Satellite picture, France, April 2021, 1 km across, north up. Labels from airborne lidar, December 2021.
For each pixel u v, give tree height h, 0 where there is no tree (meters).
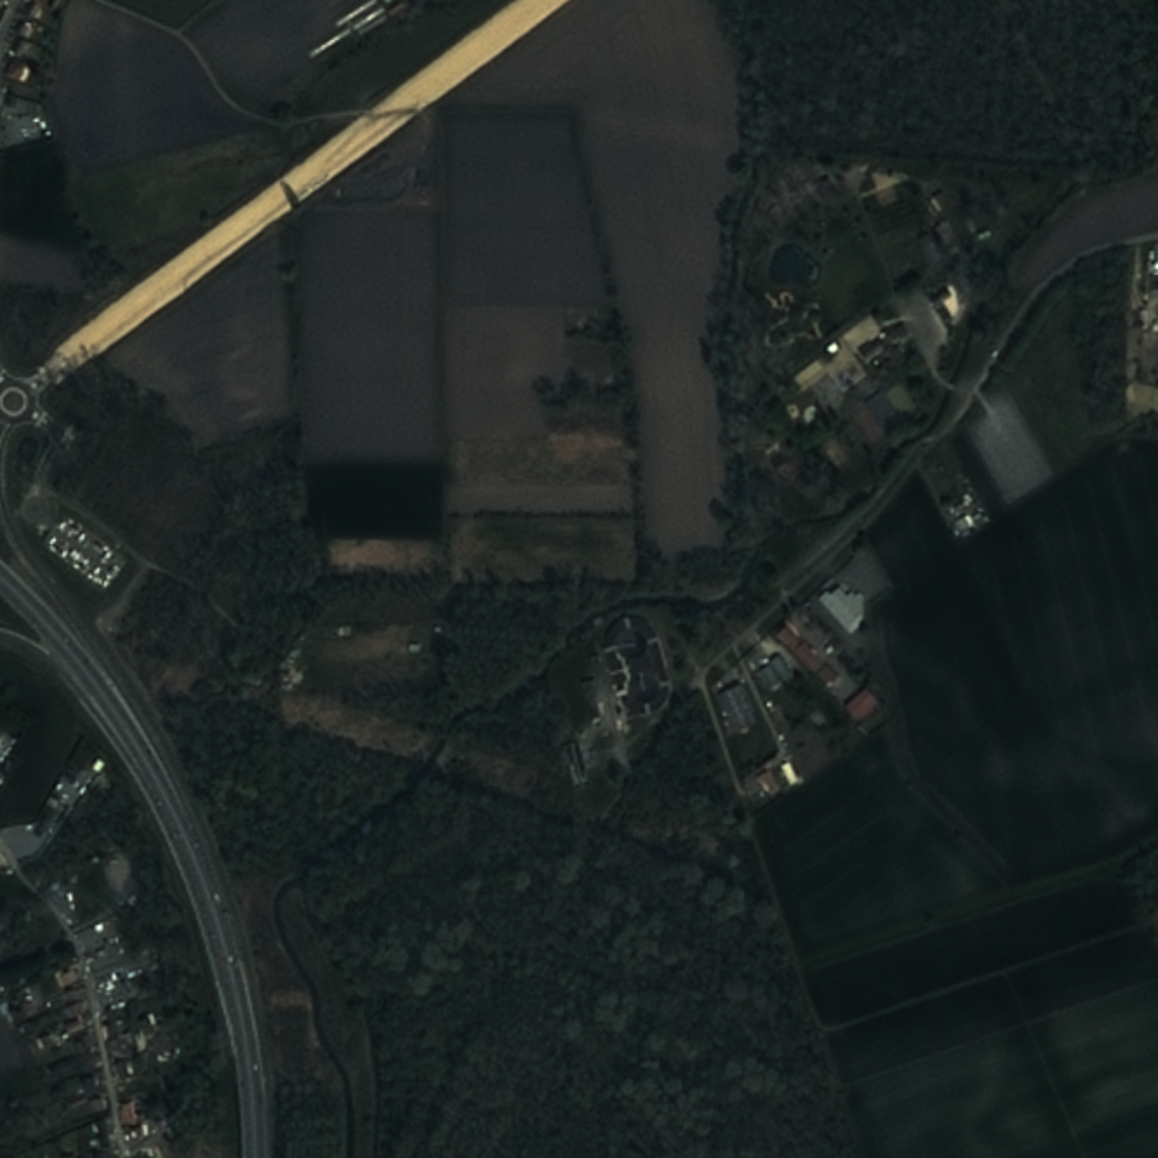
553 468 0
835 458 0
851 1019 0
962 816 0
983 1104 0
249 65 0
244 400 0
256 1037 0
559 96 0
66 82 0
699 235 0
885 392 0
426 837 26
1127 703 0
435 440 0
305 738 14
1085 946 0
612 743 0
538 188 0
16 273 0
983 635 0
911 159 9
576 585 24
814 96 12
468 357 0
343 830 16
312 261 0
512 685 34
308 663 0
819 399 0
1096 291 9
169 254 0
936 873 0
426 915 28
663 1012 30
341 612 24
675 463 0
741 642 0
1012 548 0
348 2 0
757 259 22
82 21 0
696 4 0
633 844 18
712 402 0
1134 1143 0
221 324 0
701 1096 29
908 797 0
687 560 13
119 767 0
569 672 0
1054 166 8
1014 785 0
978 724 0
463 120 0
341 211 0
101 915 0
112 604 0
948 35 14
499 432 0
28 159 0
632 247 0
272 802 29
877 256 0
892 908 0
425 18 6
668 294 0
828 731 10
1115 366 20
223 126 0
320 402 0
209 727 18
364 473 0
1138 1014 0
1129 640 0
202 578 15
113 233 0
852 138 6
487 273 0
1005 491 0
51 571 0
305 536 25
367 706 16
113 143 0
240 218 0
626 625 0
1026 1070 0
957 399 0
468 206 0
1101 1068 0
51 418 0
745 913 23
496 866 17
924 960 0
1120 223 0
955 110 21
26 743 0
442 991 17
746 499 24
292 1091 19
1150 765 0
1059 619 0
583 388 27
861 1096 0
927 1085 0
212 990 0
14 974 14
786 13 24
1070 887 0
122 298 0
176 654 23
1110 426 16
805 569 0
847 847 0
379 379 0
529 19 0
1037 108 21
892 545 0
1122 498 0
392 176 0
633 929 34
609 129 0
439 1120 18
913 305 0
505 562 0
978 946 0
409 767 10
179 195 0
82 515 0
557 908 32
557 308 0
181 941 34
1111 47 35
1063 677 0
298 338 0
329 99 0
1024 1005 0
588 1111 22
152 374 0
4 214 0
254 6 0
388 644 0
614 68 0
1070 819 0
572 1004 28
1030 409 0
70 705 0
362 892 31
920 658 0
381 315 0
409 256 0
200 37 0
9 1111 13
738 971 26
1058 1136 0
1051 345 0
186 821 0
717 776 27
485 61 0
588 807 0
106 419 29
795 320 23
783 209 23
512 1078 24
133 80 0
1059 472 0
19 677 0
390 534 0
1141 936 0
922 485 0
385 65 0
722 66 0
